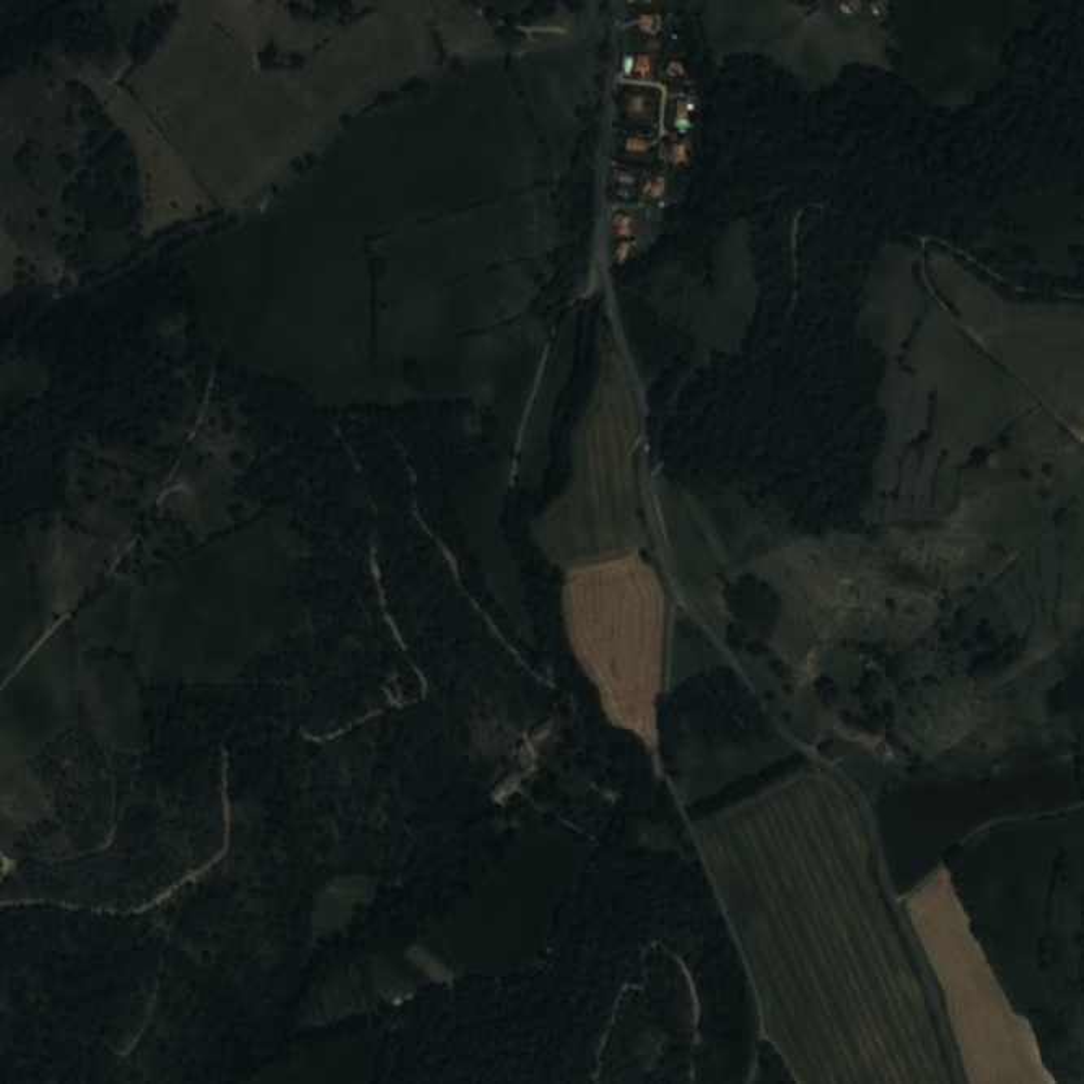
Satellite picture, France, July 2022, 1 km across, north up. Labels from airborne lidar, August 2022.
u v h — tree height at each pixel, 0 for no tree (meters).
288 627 0
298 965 16
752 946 0
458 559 6
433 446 17
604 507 0
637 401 0
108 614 0
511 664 8
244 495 7
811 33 0
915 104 20
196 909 8
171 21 14
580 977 7
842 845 0
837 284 6
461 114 0
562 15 0
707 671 0
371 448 17
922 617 0
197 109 0
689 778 0
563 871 0
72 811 6
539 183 6
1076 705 10
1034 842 0
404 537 18
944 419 0
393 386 0
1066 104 13
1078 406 0
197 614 0
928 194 16
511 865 0
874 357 11
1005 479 0
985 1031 0
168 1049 12
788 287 11
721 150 14
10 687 0
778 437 14
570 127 0
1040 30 16
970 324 0
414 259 0
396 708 10
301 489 8
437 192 0
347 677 7
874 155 19
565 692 15
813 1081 0
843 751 0
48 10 16
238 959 11
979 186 6
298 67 9
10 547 0
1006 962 0
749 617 11
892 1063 0
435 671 6
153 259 9
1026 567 0
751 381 15
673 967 10
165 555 9
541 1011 15
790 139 9
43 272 0
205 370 9
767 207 10
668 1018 10
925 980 0
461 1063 12
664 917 8
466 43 0
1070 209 0
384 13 0
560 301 11
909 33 0
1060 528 7
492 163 0
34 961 11
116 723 0
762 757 0
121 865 8
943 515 0
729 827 0
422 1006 18
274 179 0
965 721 0
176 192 0
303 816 9
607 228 0
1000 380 0
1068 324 0
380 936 25
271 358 0
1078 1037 0
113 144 13
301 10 14
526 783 7
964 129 21
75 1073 16
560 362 0
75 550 0
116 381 10
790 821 0
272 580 0
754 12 0
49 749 6
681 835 15
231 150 0
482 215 0
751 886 0
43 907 9
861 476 8
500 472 0
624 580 0
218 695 6
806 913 0
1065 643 0
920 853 0
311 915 15
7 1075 17
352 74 0
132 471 7
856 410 14
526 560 14
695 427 11
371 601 8
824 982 0
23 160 10
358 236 0
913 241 11
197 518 0
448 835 7
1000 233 11
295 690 5
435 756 9
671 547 0
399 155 0
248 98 0
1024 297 6
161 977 10
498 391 0
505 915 0
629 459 0
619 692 0
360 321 0
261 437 11
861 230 17
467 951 0
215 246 0
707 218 17
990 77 0
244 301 0
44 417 10
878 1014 0
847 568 0
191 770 9
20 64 9
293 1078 0
